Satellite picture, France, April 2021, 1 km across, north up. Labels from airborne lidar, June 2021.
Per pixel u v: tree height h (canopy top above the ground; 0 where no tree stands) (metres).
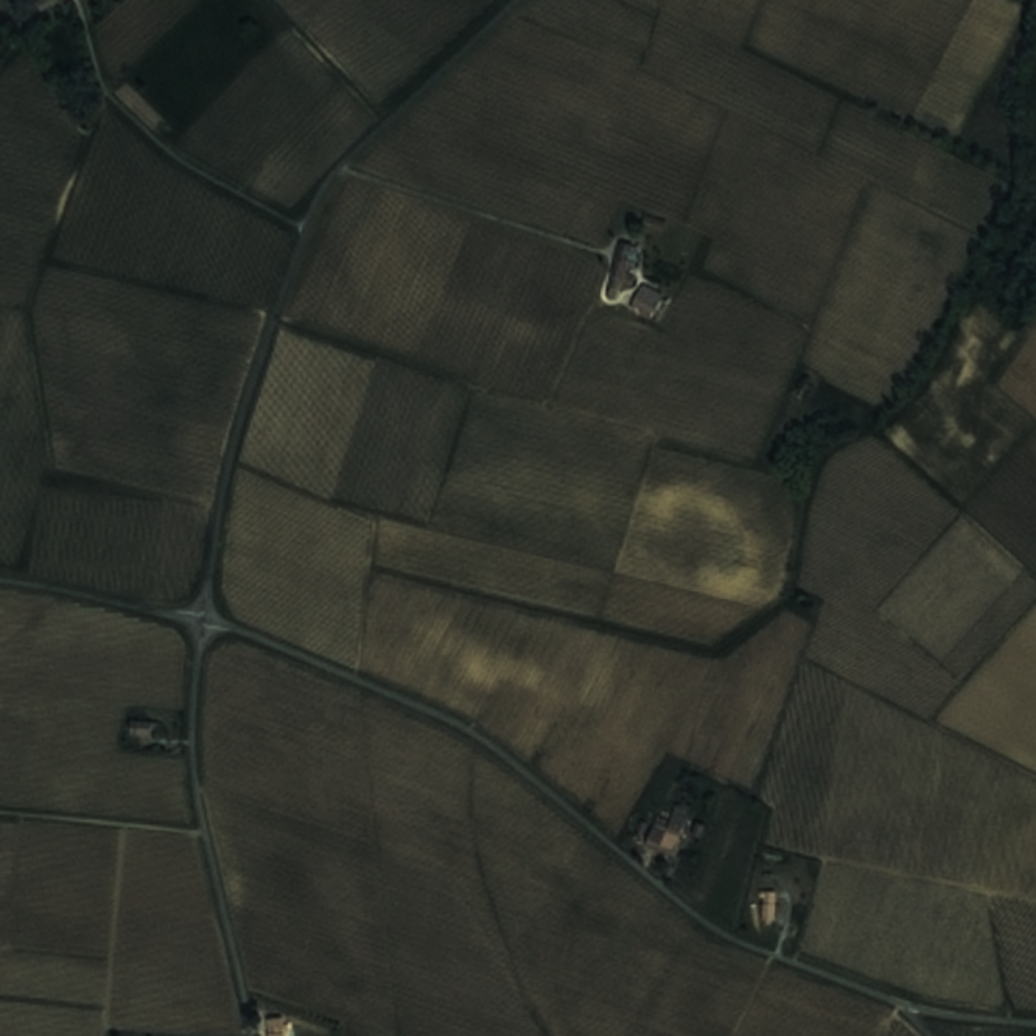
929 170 0
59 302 0
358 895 0
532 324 0
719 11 0
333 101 0
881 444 0
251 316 0
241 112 0
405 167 0
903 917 0
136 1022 0
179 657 0
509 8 0
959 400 0
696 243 0
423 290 0
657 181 0
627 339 0
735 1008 0
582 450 0
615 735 0
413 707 0
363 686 0
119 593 0
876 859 0
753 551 0
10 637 0
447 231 0
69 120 14
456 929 0
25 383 0
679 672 0
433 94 0
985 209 0
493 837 0
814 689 0
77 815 0
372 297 0
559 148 0
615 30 0
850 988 0
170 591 0
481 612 0
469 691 0
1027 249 12
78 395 0
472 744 0
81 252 0
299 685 0
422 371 0
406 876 0
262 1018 17
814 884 0
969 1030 0
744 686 0
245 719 0
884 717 0
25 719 0
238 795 0
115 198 0
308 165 0
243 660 0
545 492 0
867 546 0
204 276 0
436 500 0
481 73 0
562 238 0
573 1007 0
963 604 0
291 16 0
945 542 0
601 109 0
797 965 0
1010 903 0
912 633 0
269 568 0
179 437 0
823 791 0
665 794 0
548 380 0
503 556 0
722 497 0
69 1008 0
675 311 0
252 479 0
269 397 0
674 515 0
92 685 0
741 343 0
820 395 0
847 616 0
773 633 0
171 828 0
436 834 0
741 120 0
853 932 0
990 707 0
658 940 0
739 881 0
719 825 0
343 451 0
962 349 0
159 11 0
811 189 0
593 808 0
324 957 0
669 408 0
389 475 0
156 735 7
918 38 0
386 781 0
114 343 0
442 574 0
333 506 0
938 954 0
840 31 0
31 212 0
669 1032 0
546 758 0
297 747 0
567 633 0
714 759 0
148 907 0
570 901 0
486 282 0
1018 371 0
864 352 0
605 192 0
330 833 0
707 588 0
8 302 0
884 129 0
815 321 0
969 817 0
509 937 0
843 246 0
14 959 0
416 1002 0
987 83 0
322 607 0
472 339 0
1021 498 0
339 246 0
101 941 0
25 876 0
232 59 0
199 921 0
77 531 0
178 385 0
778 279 0
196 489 0
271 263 0
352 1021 0
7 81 0
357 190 0
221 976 0
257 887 0
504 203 0
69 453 0
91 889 0
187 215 0
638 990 0
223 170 0
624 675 0
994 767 0
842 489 0
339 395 0
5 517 0
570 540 0
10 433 0
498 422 0
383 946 0
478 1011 0
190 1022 0
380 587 0
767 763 0
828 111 0
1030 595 0
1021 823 0
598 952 0
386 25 0
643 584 0
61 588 0
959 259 0
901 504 0
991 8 0
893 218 0
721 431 0
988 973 0
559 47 0
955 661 0
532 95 0
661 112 0
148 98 0
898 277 0
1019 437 0
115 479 0
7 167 0
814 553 0
